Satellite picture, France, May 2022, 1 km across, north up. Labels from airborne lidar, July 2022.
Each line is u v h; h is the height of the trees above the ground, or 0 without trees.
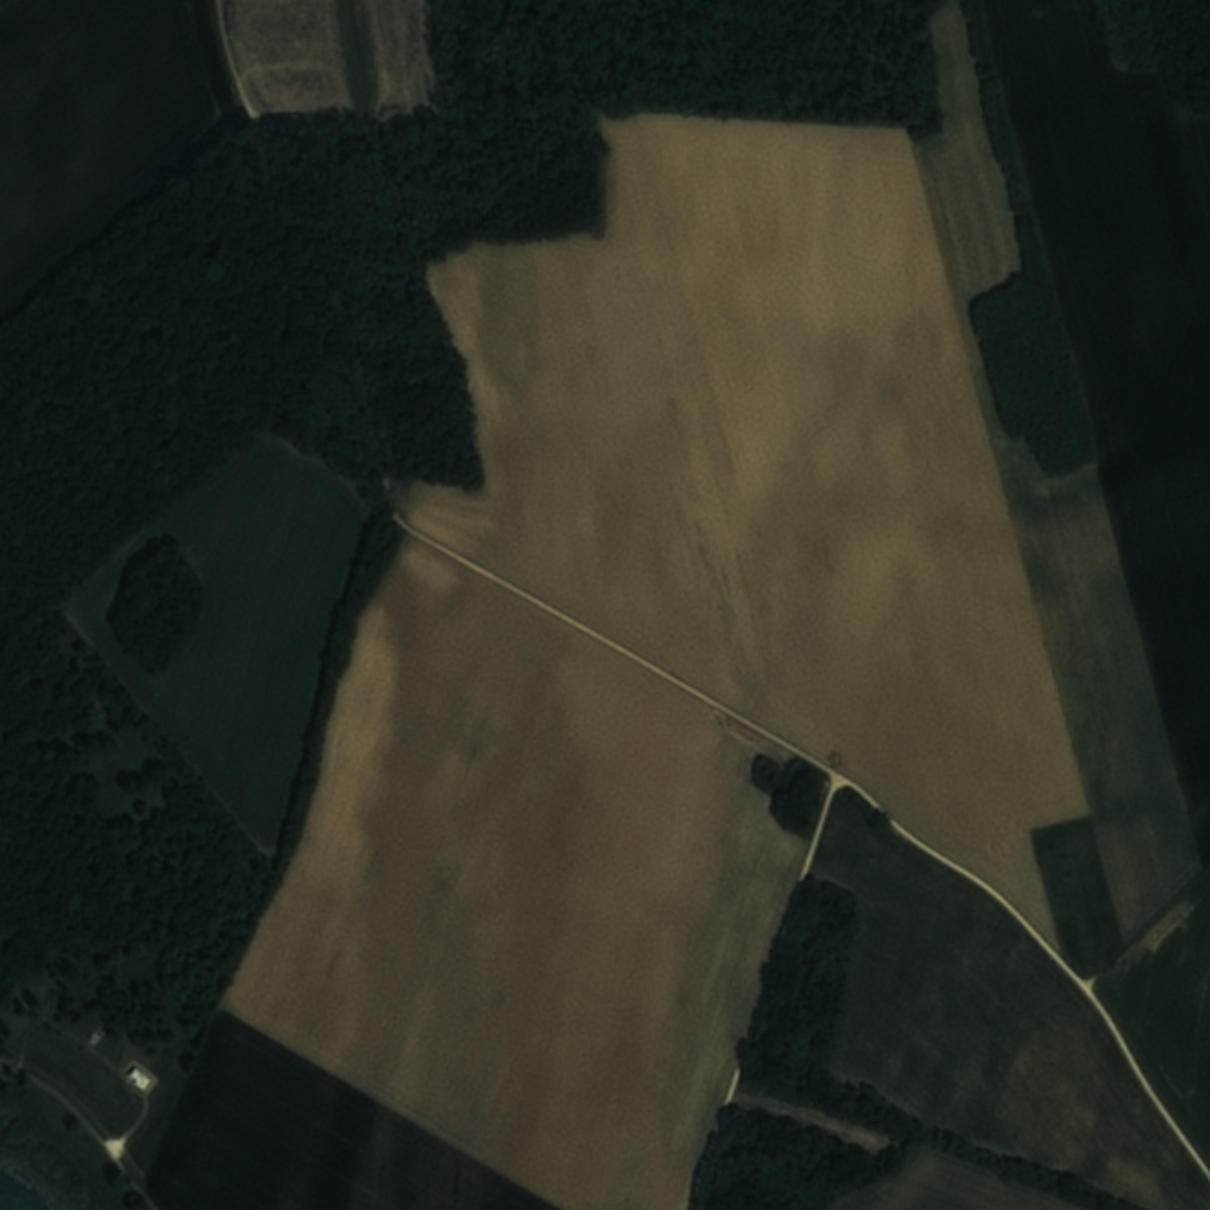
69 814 21
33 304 15
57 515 18
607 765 0
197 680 0
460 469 23
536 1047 0
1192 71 19
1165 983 0
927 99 18
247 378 25
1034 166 0
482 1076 0
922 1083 0
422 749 0
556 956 0
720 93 15
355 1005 0
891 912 0
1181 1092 0
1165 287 0
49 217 0
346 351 24
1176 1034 0
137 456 24
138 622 19
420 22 0
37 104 0
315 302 26
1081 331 0
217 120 0
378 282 28
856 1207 0
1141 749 0
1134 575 0
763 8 15
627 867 0
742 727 0
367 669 0
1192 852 0
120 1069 0
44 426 22
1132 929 0
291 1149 0
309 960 0
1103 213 0
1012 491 0
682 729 0
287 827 12
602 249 0
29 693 16
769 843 0
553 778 0
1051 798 0
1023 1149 0
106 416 20
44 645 16
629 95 24
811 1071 19
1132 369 0
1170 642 0
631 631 0
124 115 0
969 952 0
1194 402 0
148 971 0
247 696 0
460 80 24
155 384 23
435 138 27
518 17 17
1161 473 0
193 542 0
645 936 0
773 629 0
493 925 0
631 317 0
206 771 0
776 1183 23
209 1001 12
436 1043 0
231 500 0
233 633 0
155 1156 0
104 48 0
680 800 0
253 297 25
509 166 25
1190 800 0
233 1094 0
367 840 0
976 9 14
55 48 0
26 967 19
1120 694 0
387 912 0
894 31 24
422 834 0
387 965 0
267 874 15
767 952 0
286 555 0
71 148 0
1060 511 0
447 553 0
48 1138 0
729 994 0
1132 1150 0
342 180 29
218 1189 0
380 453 19
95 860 19
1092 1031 0
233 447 18
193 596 20
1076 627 0
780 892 0
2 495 21
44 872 18
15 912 18
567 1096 0
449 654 0
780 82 8
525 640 0
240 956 8
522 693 0
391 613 0
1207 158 0
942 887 0
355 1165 0
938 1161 0
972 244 0
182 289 23
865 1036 0
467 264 0
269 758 0
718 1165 18
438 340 20
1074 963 0
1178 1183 0
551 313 0
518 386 0
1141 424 0
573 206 23
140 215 19
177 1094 0
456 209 27
